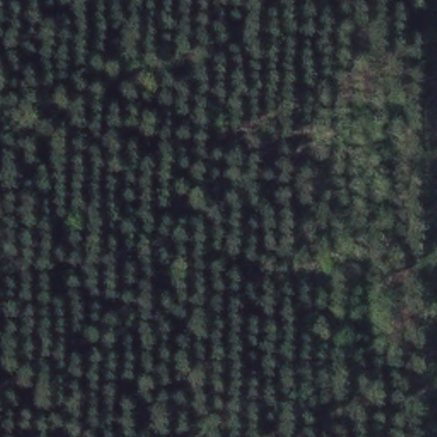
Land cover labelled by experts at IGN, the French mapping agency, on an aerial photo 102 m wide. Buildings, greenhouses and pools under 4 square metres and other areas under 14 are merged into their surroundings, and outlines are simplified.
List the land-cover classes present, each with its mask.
<instances>
[{"label":"coniferous trees","instance_id":"1","mask_svg":"<svg viewBox=\"0 0 437 437\"><path fill-rule=\"evenodd\" d=\"M27 94L36 96V111L39 116L29 128H22L15 123L14 114L22 108V102ZM0 437H437V0H0Z\"/></svg>","mask_w":437,"mask_h":437},{"label":"deciduous trees","instance_id":"2","mask_svg":"<svg viewBox=\"0 0 437 437\"><path fill-rule=\"evenodd\" d=\"M39 116L36 111V96L27 94L22 102V108L14 114L15 123L22 128H29Z\"/></svg>","mask_w":437,"mask_h":437}]
</instances>
